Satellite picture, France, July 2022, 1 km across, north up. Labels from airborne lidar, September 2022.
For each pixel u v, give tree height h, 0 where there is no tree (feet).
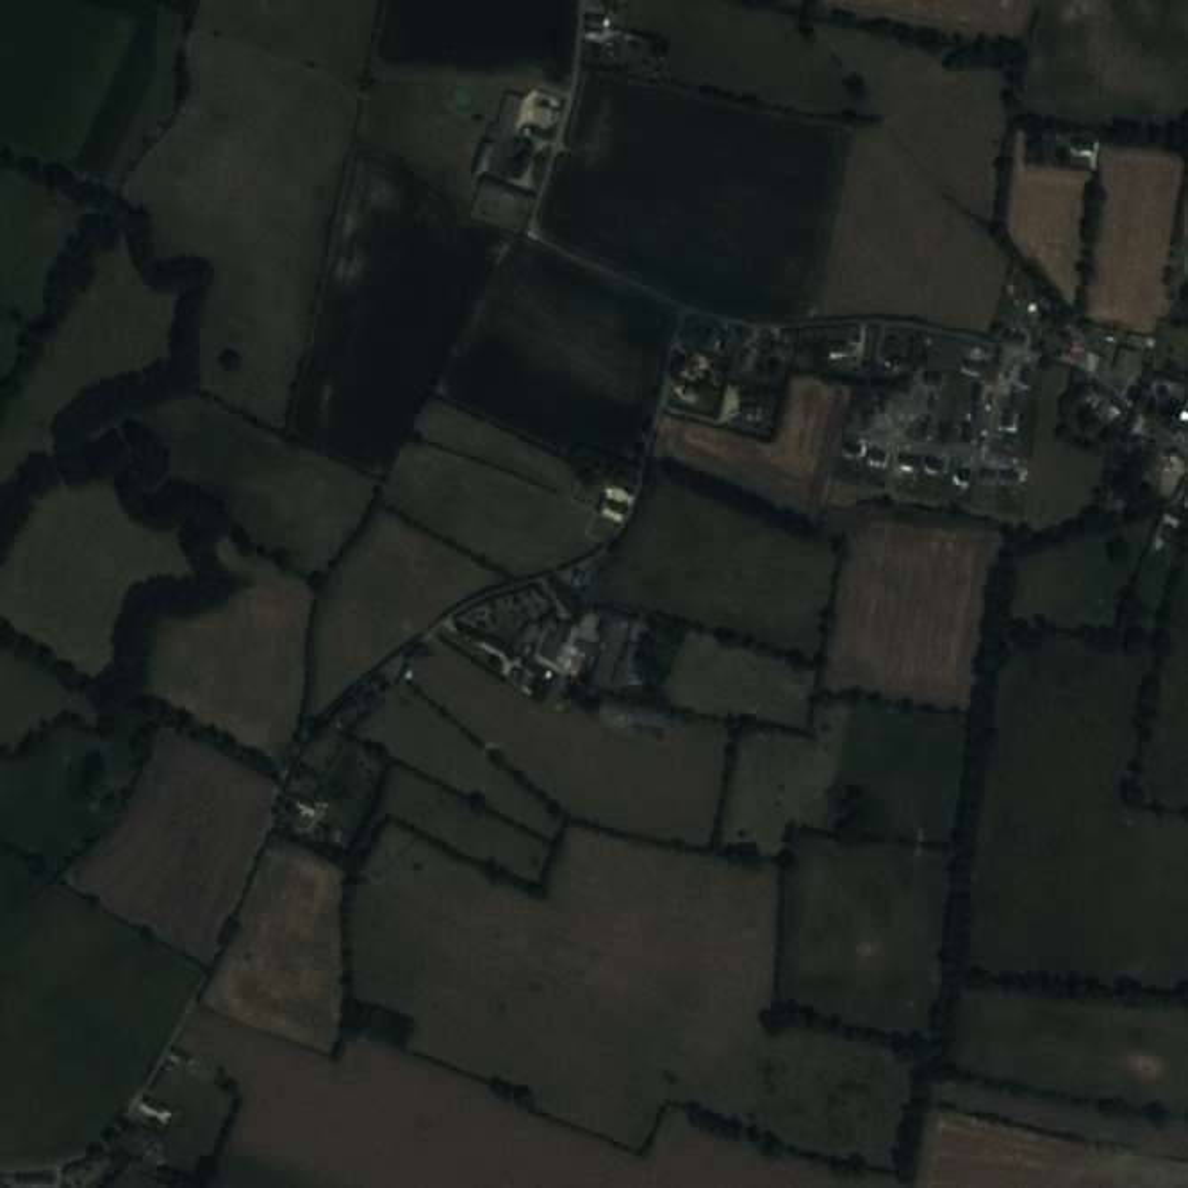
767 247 0
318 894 0
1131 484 51
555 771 0
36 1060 0
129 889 0
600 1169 0
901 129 0
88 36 0
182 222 0
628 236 0
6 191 0
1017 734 0
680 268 0
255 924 0
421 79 0
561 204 0
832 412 0
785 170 0
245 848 0
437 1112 0
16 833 0
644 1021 0
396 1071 0
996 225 33
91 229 74
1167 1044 0
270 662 0
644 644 64
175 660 0
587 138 0
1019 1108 0
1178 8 0
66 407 0
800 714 0
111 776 49
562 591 39
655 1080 0
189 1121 0
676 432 0
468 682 0
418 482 0
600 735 0
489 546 0
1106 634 48
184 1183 41
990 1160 0
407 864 0
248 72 0
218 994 0
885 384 29
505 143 0
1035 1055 0
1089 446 38
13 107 0
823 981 0
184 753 0
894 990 0
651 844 24
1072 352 0
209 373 0
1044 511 0
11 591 0
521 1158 0
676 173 0
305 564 0
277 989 0
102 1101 0
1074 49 0
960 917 62
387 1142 0
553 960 0
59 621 0
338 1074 0
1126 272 0
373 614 0
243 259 0
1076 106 0
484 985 0
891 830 0
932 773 0
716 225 0
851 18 35
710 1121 50
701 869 0
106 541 0
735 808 0
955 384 0
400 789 0
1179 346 0
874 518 0
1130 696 0
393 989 0
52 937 0
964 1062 0
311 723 31
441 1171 0
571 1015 0
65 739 0
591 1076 0
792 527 86
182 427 0
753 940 0
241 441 0
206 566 106
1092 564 0
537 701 29
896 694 0
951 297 0
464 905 0
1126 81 0
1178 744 0
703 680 0
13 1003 0
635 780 0
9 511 103
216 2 0
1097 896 0
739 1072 0
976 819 31
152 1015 0
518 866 0
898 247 0
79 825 0
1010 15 0
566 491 0
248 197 0
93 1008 0
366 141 0
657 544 0
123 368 0
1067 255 0
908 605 0
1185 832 0
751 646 39
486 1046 0
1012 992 47
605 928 0
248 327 0
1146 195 0
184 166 0
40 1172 0
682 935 0
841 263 0
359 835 25
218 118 0
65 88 0
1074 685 0
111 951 0
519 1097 43
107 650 0
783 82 0
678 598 0
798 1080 0
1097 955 0
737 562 0
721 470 0
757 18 0
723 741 0
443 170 0
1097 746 0
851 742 0
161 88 0
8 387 48
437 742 0
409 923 0
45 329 59
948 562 0
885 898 0
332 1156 0
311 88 0
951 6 0
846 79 0
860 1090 0
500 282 0
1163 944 0
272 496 0
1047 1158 0
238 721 0
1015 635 50
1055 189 0
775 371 35
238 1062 0
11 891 0
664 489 0
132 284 0
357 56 0
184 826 0
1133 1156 23
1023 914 0
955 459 0
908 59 0
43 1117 0
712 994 0
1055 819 0
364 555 0
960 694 0
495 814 19
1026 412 0
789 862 62
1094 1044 0
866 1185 0
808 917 0
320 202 0
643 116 0
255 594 0
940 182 0
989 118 0
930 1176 0
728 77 0
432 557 0
